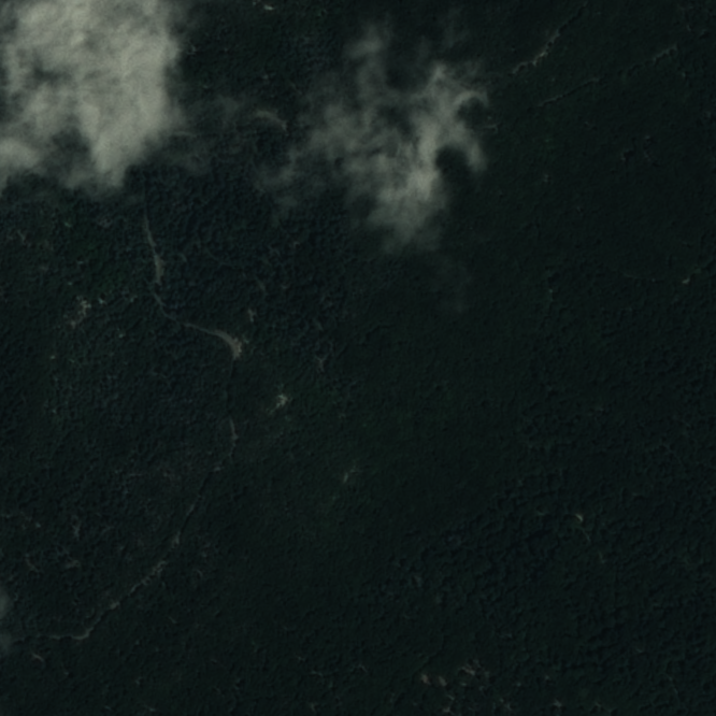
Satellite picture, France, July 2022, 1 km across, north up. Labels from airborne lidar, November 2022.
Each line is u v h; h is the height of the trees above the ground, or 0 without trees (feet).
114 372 53
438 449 80
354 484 42
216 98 64
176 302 89
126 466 28
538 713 81
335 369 72
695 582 84
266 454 48
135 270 76
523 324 56
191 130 45
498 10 52
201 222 60
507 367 70
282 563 57
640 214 58
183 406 47
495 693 76
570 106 39
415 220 74
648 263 66
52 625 40
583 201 78
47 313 61
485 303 58
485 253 65
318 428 56
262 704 66
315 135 73
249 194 44
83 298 32
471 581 78
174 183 115
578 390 60
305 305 79
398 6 60
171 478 41
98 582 37
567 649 83
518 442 64
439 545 82
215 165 88
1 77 81
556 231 74
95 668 33
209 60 65
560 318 63
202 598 60
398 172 31
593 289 73
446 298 72
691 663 88
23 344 53
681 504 87
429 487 74
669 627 106
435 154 82
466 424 82
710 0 58
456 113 48
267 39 50
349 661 63
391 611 55
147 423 43
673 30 59
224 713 64
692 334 64
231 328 29
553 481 85
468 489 89
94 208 109
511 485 75
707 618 81
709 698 74
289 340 96
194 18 64
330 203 75
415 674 58
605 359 88
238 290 94
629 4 60
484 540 90
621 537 68
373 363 84
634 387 88
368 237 76
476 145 45
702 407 74
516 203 41
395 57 47
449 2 42
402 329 80
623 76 65
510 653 65
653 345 69
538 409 84
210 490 57
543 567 31
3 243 41
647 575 75
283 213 84
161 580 39
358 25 60
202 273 83
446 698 58
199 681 61
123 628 49
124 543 36
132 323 62
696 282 60
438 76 21
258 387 49
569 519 49
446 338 61
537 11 61
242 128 62
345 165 74
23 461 68
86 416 59
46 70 77
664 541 74
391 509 88
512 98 45
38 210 38
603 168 73
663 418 93
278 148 73
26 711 58
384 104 60
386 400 74
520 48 45
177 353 74
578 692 52
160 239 90
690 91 79
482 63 26
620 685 64
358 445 37
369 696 67
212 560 64
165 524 49
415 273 68
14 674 67
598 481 64
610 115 80
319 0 53
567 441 72
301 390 55
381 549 84
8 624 35
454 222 91
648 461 79
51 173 28
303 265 66
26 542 61
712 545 88
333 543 61
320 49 84
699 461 60
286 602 60
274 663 68
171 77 57
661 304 58
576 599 76
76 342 61
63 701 60
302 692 56
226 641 52
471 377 73
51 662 88
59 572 40
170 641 51
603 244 72
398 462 75
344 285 74
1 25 56
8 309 73
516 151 37
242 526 55
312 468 58
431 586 64
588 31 49
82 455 34
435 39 46
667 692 74
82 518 75
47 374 43
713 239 68
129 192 47
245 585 48
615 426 78
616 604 65
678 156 91
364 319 72
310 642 62
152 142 82
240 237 38
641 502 81
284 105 61
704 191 98
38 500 91
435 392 82
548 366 65
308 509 53
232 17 76
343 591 70
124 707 72
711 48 68
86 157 42
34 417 42
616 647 62
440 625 54
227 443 30
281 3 61
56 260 62
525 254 84
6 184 74
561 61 51
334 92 61
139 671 43
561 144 49
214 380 34
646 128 81
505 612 53
